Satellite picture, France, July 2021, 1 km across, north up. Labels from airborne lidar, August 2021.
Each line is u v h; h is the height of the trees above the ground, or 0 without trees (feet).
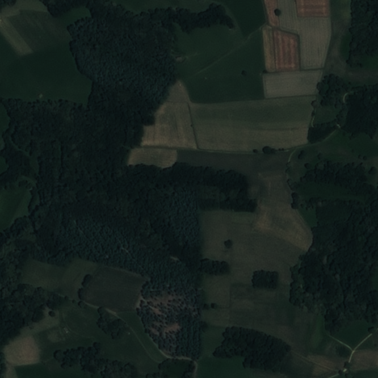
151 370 0
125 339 0
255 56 0
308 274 85
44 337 0
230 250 0
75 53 69
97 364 75
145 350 0
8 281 81
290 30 0
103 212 81
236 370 0
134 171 80
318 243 51
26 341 0
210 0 0
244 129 0
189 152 0
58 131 76
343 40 0
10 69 0
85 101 0
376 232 72
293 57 0
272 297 0
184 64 0
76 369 0
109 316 65
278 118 0
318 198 28
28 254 82
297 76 0
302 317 0
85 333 0
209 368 0
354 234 88
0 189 60
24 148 88
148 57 72
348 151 0
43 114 69
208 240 0
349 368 45
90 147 74
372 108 60
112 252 52
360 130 57
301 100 0
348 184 55
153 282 63
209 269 78
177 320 53
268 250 0
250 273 0
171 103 0
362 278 71
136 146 43
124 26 78
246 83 0
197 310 52
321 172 65
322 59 0
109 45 71
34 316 64
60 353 69
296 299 67
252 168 0
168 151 0
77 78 0
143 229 73
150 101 75
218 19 87
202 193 66
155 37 82
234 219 0
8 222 0
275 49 0
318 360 0
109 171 74
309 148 0
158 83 71
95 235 59
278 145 0
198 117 0
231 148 0
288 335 0
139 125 74
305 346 0
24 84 0
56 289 0
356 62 42
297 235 0
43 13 0
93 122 79
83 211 65
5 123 0
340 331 34
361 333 0
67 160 61
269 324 0
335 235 62
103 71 82
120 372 69
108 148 72
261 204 0
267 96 0
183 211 48
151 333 54
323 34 0
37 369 0
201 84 0
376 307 75
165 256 77
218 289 0
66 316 0
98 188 95
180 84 0
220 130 0
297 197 77
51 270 0
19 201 0
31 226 90
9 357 0
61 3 85
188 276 86
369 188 52
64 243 77
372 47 38
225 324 0
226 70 0
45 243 91
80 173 62
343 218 24
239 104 0
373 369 0
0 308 72
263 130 0
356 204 40
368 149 0
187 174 76
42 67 0
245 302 0
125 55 55
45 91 0
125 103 72
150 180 99
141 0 0
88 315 0
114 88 75
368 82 0
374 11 93
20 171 107
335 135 0
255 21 0
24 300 62
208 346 0
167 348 66
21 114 77
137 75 76
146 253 66
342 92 76
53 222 65
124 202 75
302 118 0
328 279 99
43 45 0
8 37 0
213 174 73
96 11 88
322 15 0
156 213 77
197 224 54
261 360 73
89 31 78
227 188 94
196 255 66
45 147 76
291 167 32
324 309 68
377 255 79
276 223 0
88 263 0
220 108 0
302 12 0
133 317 0
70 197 86
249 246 0
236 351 59
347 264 86
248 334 44
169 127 0
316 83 0
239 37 0
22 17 0
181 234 60
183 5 0
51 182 81
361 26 71
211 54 0
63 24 0
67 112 70
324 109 0
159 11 64
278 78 0
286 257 0
